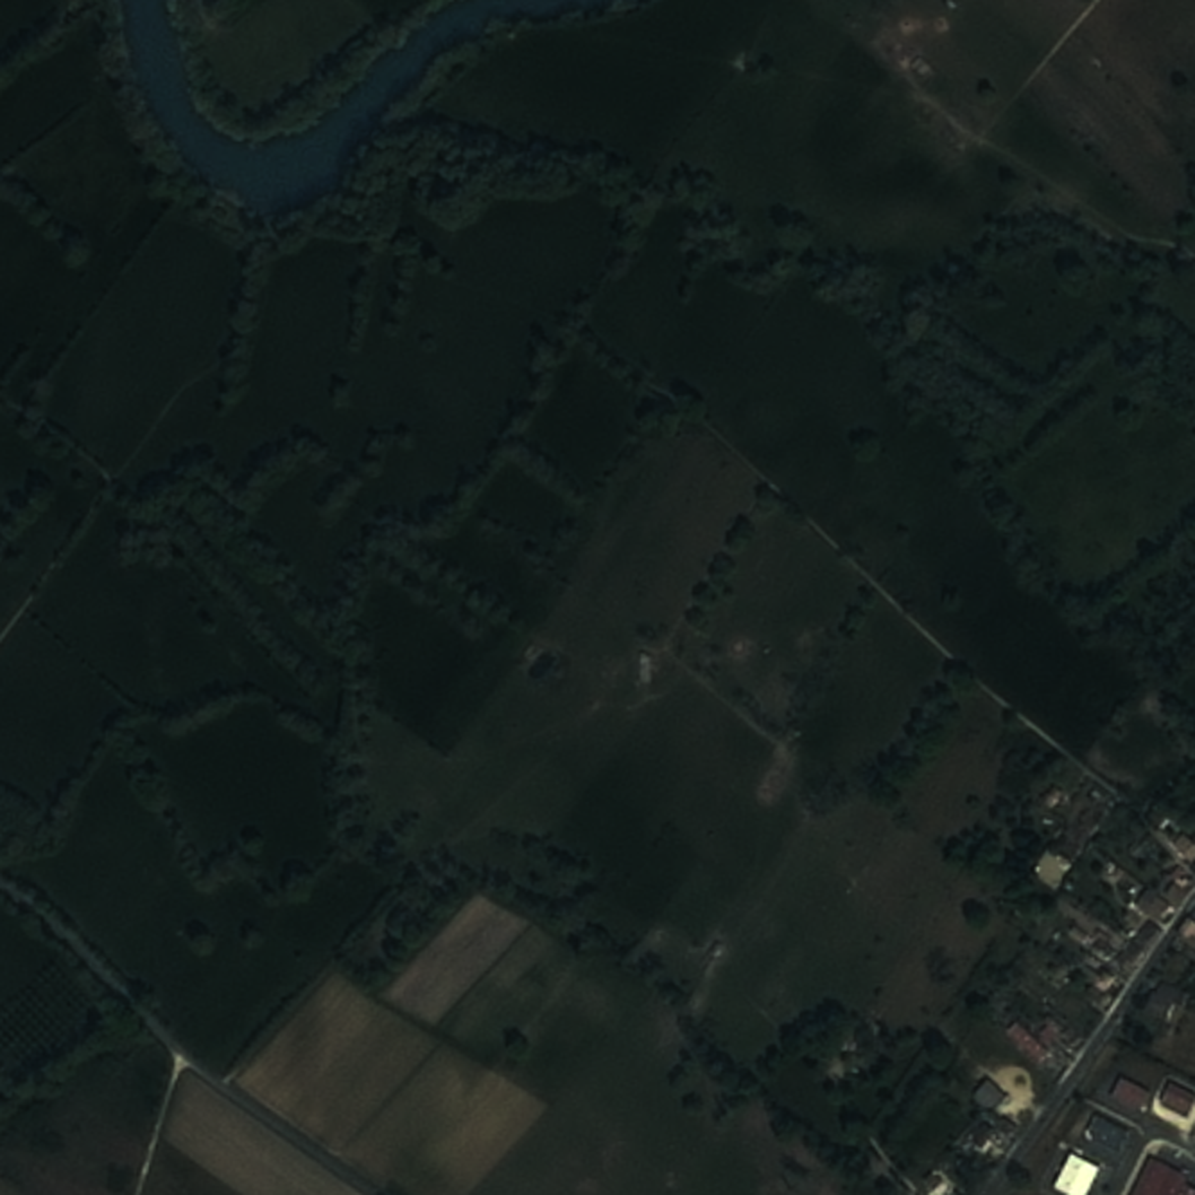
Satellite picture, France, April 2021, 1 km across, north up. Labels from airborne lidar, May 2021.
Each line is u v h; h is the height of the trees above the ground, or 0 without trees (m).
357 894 0
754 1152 0
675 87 0
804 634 0
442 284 0
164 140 15
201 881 17
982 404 18
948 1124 0
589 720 0
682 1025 10
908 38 0
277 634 13
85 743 0
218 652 0
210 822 0
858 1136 18
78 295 0
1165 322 19
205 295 0
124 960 0
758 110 0
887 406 0
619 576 0
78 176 0
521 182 27
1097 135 0
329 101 10
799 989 0
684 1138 0
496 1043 0
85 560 0
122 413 0
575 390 0
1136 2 0
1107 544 0
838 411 0
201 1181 0
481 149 29
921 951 0
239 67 0
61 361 7
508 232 0
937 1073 12
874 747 0
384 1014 0
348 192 15
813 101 0
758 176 0
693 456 0
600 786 0
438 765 0
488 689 0
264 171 0
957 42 0
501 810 0
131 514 12
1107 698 0
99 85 0
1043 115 0
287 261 0
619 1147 0
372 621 0
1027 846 10
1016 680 0
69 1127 0
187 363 0
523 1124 0
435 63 13
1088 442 0
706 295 0
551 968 0
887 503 0
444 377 0
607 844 0
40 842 14
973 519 0
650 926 0
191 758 0
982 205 0
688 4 0
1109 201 0
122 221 0
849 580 0
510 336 0
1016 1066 0
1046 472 0
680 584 0
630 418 0
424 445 0
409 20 12
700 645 0
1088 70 0
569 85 0
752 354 0
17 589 0
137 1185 0
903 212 0
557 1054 0
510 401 0
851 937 0
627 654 0
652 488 0
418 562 20
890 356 17
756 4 0
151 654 0
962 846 11
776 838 0
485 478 10
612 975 0
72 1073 12
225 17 17
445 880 15
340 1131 0
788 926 0
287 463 16
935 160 0
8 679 0
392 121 13
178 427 0
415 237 13
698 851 0
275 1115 0
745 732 0
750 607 0
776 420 0
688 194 10
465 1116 0
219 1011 0
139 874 0
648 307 0
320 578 0
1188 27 0
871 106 0
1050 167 0
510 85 0
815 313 0
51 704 0
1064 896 6
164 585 0
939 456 0
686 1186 0
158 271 0
